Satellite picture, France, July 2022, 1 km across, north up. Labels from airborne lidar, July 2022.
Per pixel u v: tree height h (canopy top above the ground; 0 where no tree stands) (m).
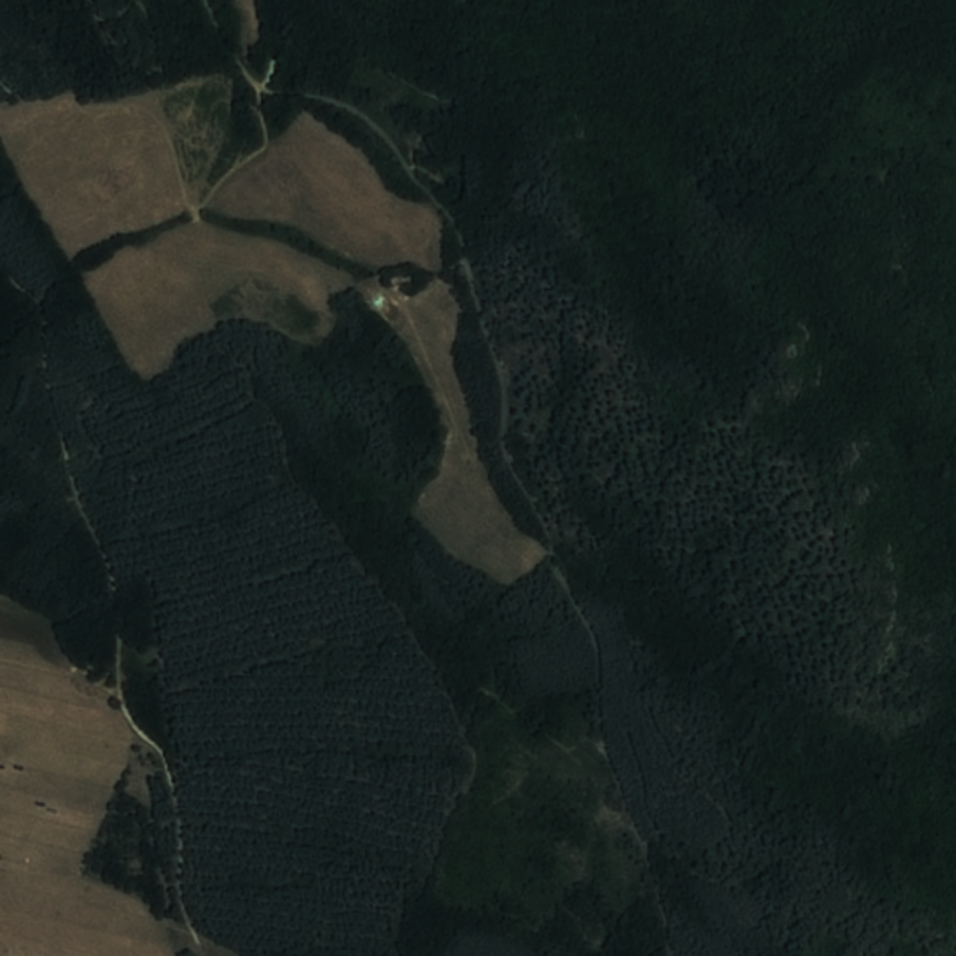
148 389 17
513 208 10
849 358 14
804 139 20
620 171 14
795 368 10
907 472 11
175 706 12
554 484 17
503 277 13
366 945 16
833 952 11
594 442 8
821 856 20
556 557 11
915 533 19
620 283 16
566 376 11
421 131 17
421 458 11
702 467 22
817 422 23
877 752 17
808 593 18
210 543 13
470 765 12
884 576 6
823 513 21
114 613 15
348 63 13
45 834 0
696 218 13
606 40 16
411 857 17
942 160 8
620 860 0
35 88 9
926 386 9
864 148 10
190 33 16
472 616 12
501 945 17
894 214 13
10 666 0
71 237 0
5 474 11
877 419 16
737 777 17
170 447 11
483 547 0
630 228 16
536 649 16
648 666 18
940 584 19
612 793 8
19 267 11
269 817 15
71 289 20
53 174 0
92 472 9
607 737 15
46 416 7
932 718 13
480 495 0
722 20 16
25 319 16
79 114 0
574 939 7
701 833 16
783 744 14
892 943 22
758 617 25
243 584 11
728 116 14
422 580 15
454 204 13
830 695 21
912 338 9
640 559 18
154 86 12
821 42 18
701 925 13
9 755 0
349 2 8
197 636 14
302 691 15
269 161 0
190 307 0
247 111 15
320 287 0
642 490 24
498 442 7
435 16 17
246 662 17
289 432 12
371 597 14
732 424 20
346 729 13
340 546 16
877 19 23
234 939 19
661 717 18
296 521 14
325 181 0
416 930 15
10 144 0
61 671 0
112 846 11
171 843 12
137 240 10
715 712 22
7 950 0
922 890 11
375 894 14
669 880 22
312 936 14
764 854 20
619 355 13
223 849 14
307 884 11
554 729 10
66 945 0
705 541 14
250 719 15
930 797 14
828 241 17
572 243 14
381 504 12
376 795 15
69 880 0
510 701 14
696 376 18
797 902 22
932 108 6
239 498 15
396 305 0
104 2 17
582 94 21
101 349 13
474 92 14
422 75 12
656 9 14
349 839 15
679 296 21
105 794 0
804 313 15
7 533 13
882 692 15
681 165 18
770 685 18
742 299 14
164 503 14
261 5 16
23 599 12
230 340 15
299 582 16
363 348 12
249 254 0
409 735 16
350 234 0
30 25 11
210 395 12
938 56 18
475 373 10
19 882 0
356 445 13
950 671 17
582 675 14
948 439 12
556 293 12
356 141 11
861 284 13
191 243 0
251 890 14
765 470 23
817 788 19
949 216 9
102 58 8
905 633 11
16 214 13
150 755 9
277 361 13
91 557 12
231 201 0
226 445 12
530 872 9
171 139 0
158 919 7
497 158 19
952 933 8
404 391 12
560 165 11
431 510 0
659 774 16
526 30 17
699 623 23
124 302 0
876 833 10
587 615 13
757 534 19
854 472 15
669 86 18
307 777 11
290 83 10
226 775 16
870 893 11
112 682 10
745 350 14
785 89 16
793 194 19
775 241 15
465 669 14
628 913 6
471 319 13
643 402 16
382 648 15
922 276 12
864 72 10
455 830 12
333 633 13
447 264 8
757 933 14
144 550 9
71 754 0
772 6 8
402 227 0
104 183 0
